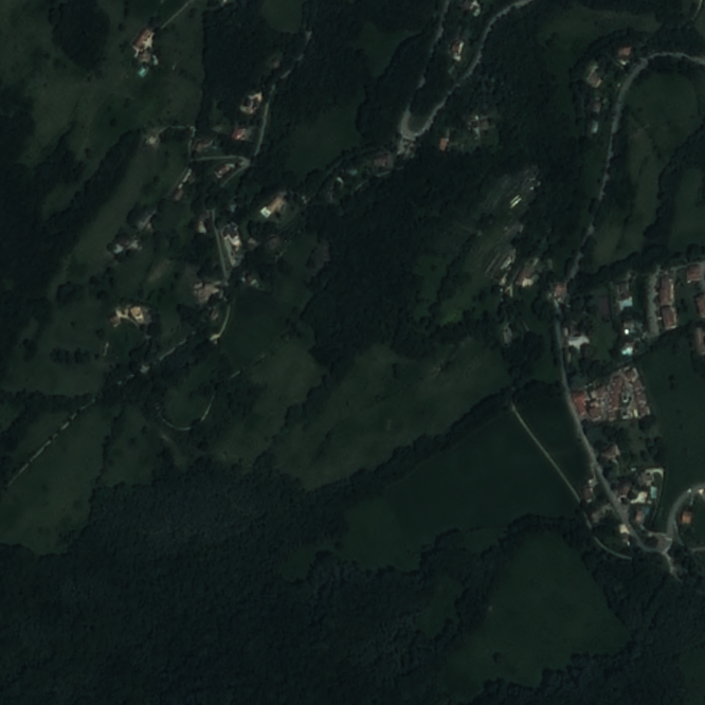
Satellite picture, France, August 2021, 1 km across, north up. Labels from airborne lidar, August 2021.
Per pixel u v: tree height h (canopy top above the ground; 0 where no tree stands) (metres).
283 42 15
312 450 0
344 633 14
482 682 0
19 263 17
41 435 0
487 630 0
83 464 0
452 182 15
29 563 23
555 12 12
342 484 16
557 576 0
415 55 17
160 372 7
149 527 8
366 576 19
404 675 10
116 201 0
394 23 26
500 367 0
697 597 19
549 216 14
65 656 17
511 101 15
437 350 20
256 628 22
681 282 10
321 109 9
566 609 0
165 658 17
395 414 0
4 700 20
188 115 0
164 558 14
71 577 27
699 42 13
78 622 21
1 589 29
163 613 16
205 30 7
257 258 7
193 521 9
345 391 0
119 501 14
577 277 8
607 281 13
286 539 20
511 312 16
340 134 0
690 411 0
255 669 25
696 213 0
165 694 22
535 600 0
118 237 11
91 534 19
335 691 26
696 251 18
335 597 22
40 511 0
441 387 0
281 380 0
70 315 0
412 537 0
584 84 23
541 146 20
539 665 0
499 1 6
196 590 16
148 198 0
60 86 0
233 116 22
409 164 8
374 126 15
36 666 17
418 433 0
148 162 0
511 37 20
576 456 0
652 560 9
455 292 12
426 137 11
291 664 26
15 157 21
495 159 20
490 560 17
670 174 11
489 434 0
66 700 14
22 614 17
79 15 24
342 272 17
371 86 15
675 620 11
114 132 0
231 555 14
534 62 22
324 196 13
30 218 20
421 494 0
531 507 0
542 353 18
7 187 14
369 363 0
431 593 23
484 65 9
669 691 18
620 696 14
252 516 7
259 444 0
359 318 21
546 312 22
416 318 16
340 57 17
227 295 10
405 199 19
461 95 19
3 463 21
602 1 16
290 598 21
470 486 0
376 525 0
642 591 12
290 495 19
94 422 0
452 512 0
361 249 19
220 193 15
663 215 13
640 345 17
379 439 0
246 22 11
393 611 18
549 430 0
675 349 8
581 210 22
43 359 0
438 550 11
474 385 0
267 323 0
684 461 0
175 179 0
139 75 0
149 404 12
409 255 30
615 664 10
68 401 16
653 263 14
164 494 15
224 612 17
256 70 23
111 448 19
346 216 12
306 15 10
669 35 14
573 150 18
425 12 16
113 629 20
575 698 25
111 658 19
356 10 19
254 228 18
